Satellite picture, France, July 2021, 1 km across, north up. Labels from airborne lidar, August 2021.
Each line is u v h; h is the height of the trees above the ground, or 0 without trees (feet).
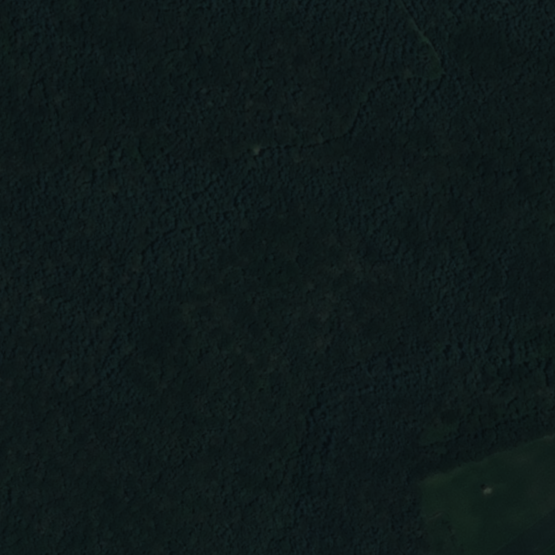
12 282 77
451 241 61
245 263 74
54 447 69
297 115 66
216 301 64
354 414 52
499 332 66
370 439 54
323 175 81
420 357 66
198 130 75
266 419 70
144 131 58
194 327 76
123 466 77
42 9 70
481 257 55
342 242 84
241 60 62
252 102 68
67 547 73
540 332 58
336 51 72
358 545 77
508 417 46
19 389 63
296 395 69
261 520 61
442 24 78
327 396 74
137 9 68
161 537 79
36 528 74
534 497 0
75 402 42
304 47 60
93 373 61
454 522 0
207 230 76
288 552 66
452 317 59
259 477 81
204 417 68
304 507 83
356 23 65
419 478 79
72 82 58
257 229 81
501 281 73
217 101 82
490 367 83
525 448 0
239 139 82
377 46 68
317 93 71
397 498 64
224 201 104
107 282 66
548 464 0
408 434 62
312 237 61
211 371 68
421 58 72
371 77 44
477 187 47
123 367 65
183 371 52
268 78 55
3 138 47
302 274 77
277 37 75
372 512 64
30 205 91
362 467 52
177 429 73
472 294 79
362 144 68
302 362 68
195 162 64
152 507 63
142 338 75
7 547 73
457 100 73
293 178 77
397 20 71
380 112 48
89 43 60
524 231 44
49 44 74
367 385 58
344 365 82
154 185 57
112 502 76
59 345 74
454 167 66
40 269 45
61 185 107
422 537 63
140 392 80
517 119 75
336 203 97
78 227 73
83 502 74
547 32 83
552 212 39
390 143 46
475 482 0
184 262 66
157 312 74
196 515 72
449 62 72
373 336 67
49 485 82
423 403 65
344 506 73
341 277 65
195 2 71
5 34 26
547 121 64
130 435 65
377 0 84
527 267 66
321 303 69
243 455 74
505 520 0
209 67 73
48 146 73
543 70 73
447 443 32
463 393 62
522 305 81
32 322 60
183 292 77
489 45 61
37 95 99
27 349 66
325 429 63
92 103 70
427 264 36
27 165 70
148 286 81
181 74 65
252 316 92
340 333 74
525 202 52
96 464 70
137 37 57
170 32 63
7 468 77
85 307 68
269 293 75
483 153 67
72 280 85
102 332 88
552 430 79
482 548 0
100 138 59
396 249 68
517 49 63
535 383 65
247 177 89
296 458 58
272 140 75
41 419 69
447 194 50
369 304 63
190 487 84
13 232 79
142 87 39
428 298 94
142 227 64
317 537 77
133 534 73
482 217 75
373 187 67
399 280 67
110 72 70
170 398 68
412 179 70
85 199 70
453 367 72
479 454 66
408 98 62
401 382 113
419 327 60
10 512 81
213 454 98
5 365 64
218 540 74
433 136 63
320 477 73
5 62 69
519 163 71
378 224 78
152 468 72
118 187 68
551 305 78
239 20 84
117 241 88
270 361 65
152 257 41
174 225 79
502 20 57
